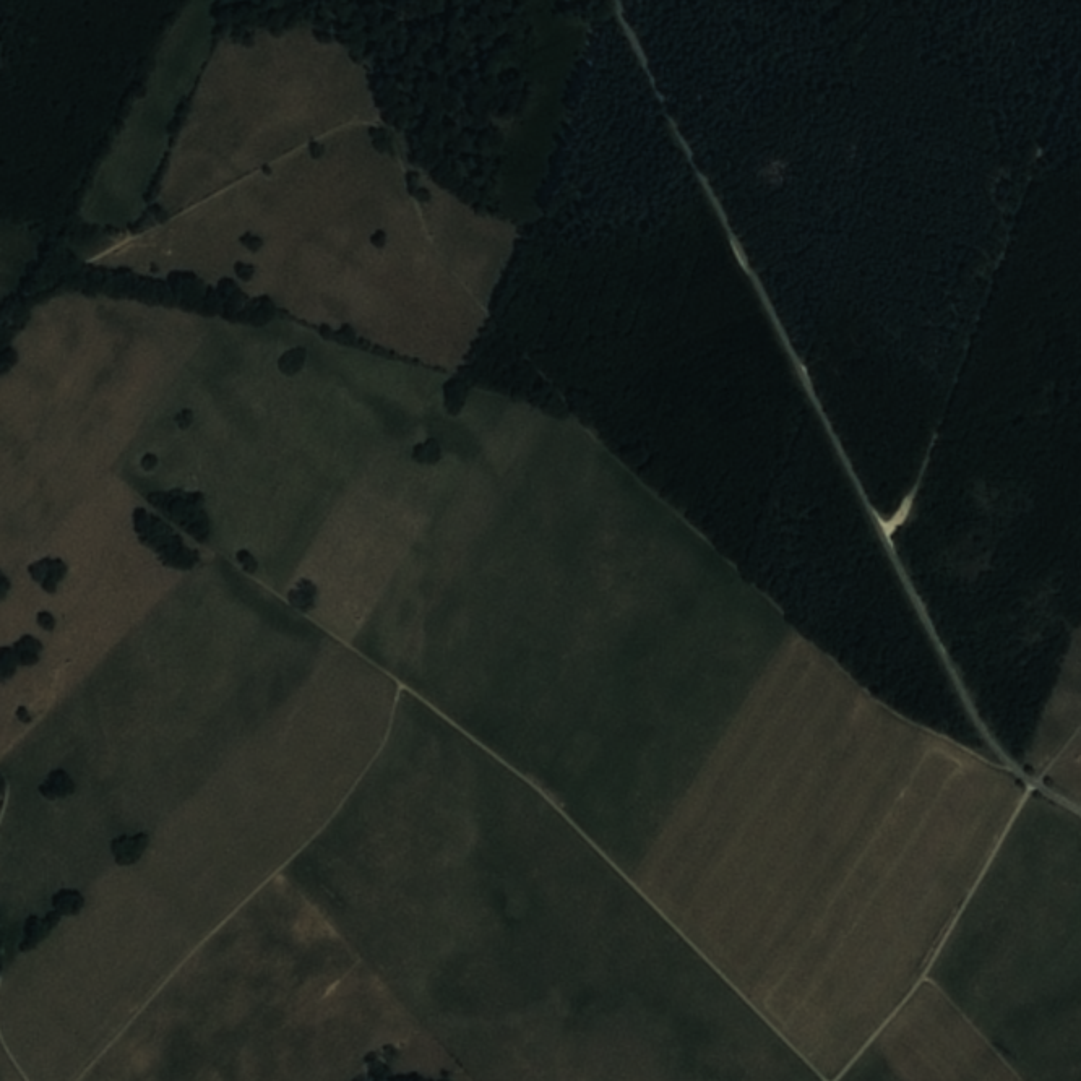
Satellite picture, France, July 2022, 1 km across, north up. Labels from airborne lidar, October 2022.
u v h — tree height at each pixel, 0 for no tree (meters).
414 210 0
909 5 23
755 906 0
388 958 0
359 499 0
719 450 6
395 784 0
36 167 12
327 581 0
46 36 12
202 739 0
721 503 6
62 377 0
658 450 8
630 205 26
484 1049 0
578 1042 0
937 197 18
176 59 0
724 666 0
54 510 0
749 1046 0
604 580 0
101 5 11
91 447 0
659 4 28
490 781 0
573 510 0
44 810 0
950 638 10
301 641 0
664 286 13
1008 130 24
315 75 0
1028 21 27
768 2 30
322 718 0
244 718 0
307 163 0
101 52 13
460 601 0
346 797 0
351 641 0
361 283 0
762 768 0
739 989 0
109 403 0
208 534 7
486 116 26
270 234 0
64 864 0
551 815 0
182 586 0
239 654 0
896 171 18
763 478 7
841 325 15
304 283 0
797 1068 0
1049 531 8
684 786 0
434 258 0
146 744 0
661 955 0
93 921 0
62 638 0
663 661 0
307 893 0
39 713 0
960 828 0
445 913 0
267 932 0
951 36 28
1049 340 9
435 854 0
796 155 21
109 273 16
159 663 0
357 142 0
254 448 0
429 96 29
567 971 0
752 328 10
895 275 20
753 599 0
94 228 6
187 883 0
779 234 20
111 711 0
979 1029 0
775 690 0
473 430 0
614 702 0
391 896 0
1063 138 26
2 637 0
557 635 0
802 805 0
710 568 0
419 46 30
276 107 0
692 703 0
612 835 0
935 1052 0
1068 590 7
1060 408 6
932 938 0
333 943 0
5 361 19
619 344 9
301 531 0
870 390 15
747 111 27
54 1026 0
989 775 0
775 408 8
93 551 0
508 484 0
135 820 0
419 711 0
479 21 30
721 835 0
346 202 0
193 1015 0
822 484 8
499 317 15
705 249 14
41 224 11
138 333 0
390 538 0
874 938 0
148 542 13
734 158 19
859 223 22
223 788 0
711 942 0
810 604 12
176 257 0
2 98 13
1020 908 0
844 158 23
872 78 18
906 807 0
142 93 18
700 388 7
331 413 0
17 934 0
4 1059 0
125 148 0
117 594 0
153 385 0
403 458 0
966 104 20
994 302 13
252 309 22
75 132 14
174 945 0
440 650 0
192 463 0
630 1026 0
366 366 0
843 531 10
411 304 0
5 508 0
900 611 7
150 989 0
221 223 0
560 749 0
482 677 0
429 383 0
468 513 0
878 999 0
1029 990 0
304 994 0
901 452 16
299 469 0
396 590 0
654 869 0
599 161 31
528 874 0
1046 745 0
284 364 7
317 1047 0
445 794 0
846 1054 0
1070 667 0
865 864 0
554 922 0
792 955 0
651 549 0
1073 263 12
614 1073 0
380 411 0
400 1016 0
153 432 0
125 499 0
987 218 20
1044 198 15
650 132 24
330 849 0
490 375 8
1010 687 7
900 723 0
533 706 0
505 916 0
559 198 29
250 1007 0
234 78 0
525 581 0
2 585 18
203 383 0
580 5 15
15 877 0
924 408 16
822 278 22
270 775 0
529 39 11
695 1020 0
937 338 19
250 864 0
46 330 0
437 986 0
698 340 10
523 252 16
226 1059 0
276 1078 0
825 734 0
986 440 8
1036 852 0
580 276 14
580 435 0
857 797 0
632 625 0
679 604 0
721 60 27
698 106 31
